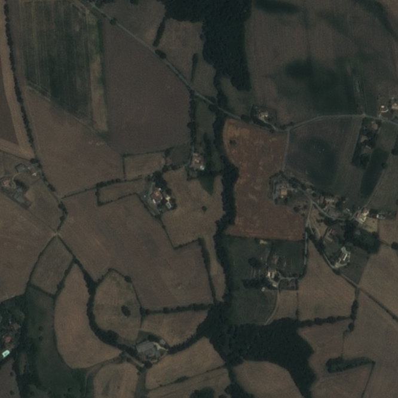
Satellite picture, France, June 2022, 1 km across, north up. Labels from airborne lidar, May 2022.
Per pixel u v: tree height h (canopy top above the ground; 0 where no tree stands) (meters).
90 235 0
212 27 27
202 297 0
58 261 0
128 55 0
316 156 0
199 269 0
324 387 0
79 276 0
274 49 0
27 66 0
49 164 0
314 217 0
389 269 0
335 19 0
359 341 0
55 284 0
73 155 0
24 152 0
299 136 0
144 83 0
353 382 0
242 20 16
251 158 0
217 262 0
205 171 7
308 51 0
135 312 0
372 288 0
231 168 21
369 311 0
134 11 0
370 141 9
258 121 10
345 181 0
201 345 0
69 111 0
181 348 12
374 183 0
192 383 0
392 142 0
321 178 0
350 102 0
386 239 0
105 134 0
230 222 22
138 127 0
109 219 0
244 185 0
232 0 29
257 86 0
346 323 0
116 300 0
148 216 0
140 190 0
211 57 24
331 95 0
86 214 0
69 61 0
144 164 0
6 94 0
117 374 0
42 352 0
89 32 0
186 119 0
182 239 0
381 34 0
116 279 0
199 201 0
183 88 0
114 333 18
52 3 0
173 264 0
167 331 0
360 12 0
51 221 0
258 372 0
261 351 16
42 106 0
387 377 0
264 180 0
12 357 10
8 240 0
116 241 0
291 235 0
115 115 0
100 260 0
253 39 0
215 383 0
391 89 0
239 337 24
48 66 0
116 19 6
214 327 20
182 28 0
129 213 0
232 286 29
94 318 15
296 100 0
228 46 22
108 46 0
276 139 0
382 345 0
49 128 0
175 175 0
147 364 14
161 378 0
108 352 0
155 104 0
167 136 0
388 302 0
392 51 0
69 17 0
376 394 0
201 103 0
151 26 0
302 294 0
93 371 0
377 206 0
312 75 0
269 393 0
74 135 0
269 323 0
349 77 0
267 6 0
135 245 0
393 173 0
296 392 0
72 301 0
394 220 0
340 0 0
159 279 0
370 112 0
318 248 12
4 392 0
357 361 0
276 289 11
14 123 0
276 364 13
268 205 0
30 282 6
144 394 0
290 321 17
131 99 0
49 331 0
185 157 0
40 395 0
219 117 15
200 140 0
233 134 0
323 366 0
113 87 0
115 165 0
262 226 0
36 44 0
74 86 0
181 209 0
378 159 0
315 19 0
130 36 0
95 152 0
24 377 12
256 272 0
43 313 0
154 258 0
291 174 0
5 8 11
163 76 0
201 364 0
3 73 0
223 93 9
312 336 0
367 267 0
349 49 0
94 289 13
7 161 0
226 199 15
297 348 16
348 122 0
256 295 0
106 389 0
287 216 0
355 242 18
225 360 6
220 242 19
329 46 0
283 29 0
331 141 0
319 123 0
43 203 0
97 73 0
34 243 0
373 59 0
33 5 0
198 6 25
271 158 0
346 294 0
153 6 0
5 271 0
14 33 0
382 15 0
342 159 0
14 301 6
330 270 0
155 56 0
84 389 8
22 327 10
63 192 0
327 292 0
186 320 0
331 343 0
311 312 0
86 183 0
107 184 10
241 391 11
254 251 0
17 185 6
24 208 0
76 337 0
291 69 0
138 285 0
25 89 0
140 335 0
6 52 0
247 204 0
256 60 0
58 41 0
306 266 9
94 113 0
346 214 6
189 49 0
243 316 0
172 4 14
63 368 0
